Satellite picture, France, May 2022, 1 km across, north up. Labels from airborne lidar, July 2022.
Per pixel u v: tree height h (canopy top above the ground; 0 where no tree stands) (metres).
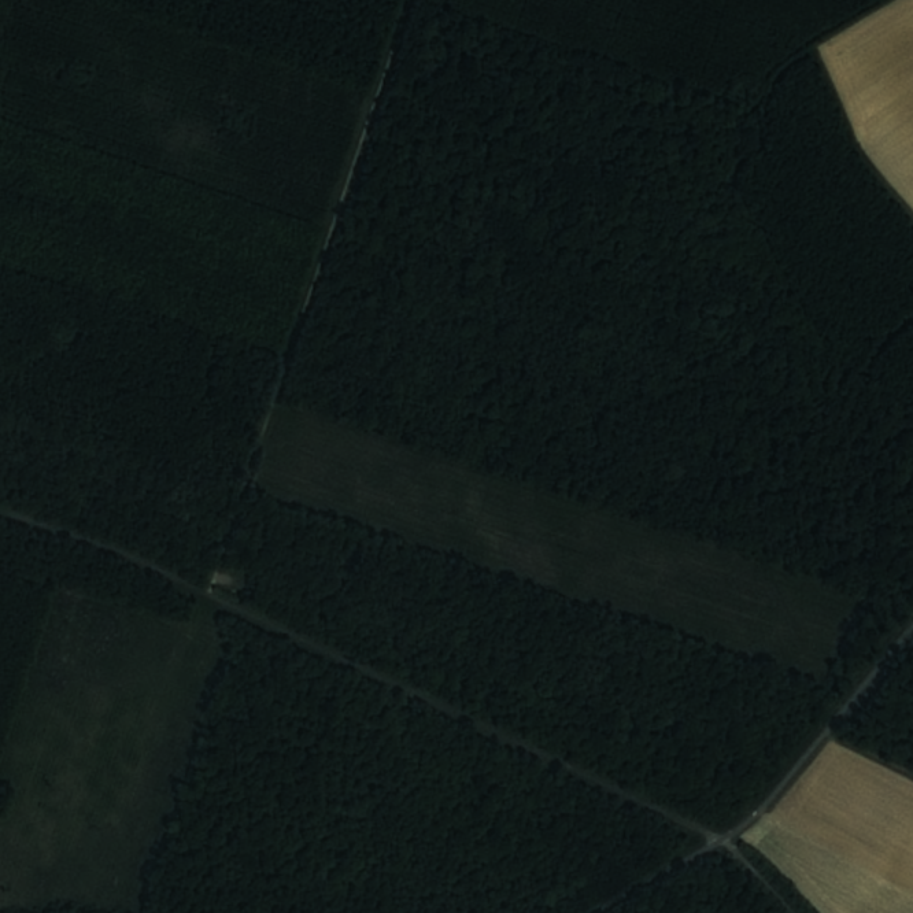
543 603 24
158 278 13
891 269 21
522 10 7
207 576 17
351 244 19
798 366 22
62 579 23
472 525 0
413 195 21
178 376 17
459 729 17
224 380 22
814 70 19
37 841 0
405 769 19
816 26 8
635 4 8
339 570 22
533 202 18
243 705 17
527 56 13
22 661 17
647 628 22
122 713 0
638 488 22
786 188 20
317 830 16
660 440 20
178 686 0
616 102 19
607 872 23
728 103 22
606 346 16
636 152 23
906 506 22
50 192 14
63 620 0
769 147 18
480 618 19
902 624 21
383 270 20
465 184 23
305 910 22
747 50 9
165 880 24
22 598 18
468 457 18
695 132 25
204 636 0
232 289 11
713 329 25
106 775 0
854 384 25
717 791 18
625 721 24
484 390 20
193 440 20
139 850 0
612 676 23
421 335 21
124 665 0
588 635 22
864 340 17
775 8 9
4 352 19
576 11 7
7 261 13
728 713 22
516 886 20
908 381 19
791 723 25
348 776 17
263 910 13
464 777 18
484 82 18
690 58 10
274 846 20
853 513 23
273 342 13
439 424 20
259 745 19
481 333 17
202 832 16
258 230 13
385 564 22
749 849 12
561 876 20
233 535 25
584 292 19
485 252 24
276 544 24
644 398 21
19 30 6
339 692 20
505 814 19
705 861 15
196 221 12
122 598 21
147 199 14
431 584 22
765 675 25
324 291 12
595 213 9
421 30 25
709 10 9
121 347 19
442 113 20
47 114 7
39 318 19
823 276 21
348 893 20
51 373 19
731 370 21
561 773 21
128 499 21
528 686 20
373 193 24
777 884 20
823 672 0
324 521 17
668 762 22
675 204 22
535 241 21
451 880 19
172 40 7
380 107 16
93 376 17
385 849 21
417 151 24
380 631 19
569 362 22
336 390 19
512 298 19
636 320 17
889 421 26
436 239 20
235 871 15
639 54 8
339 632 20
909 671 23
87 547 19
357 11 17
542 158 24
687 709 21
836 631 0
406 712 13
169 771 0
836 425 24
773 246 18
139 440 19
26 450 25
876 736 20
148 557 17
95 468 15
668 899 22
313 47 19
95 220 13
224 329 14
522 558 0
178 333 17
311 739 21
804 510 21
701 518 15
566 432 21
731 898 25
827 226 19
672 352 16
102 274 15
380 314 23
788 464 25
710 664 22
